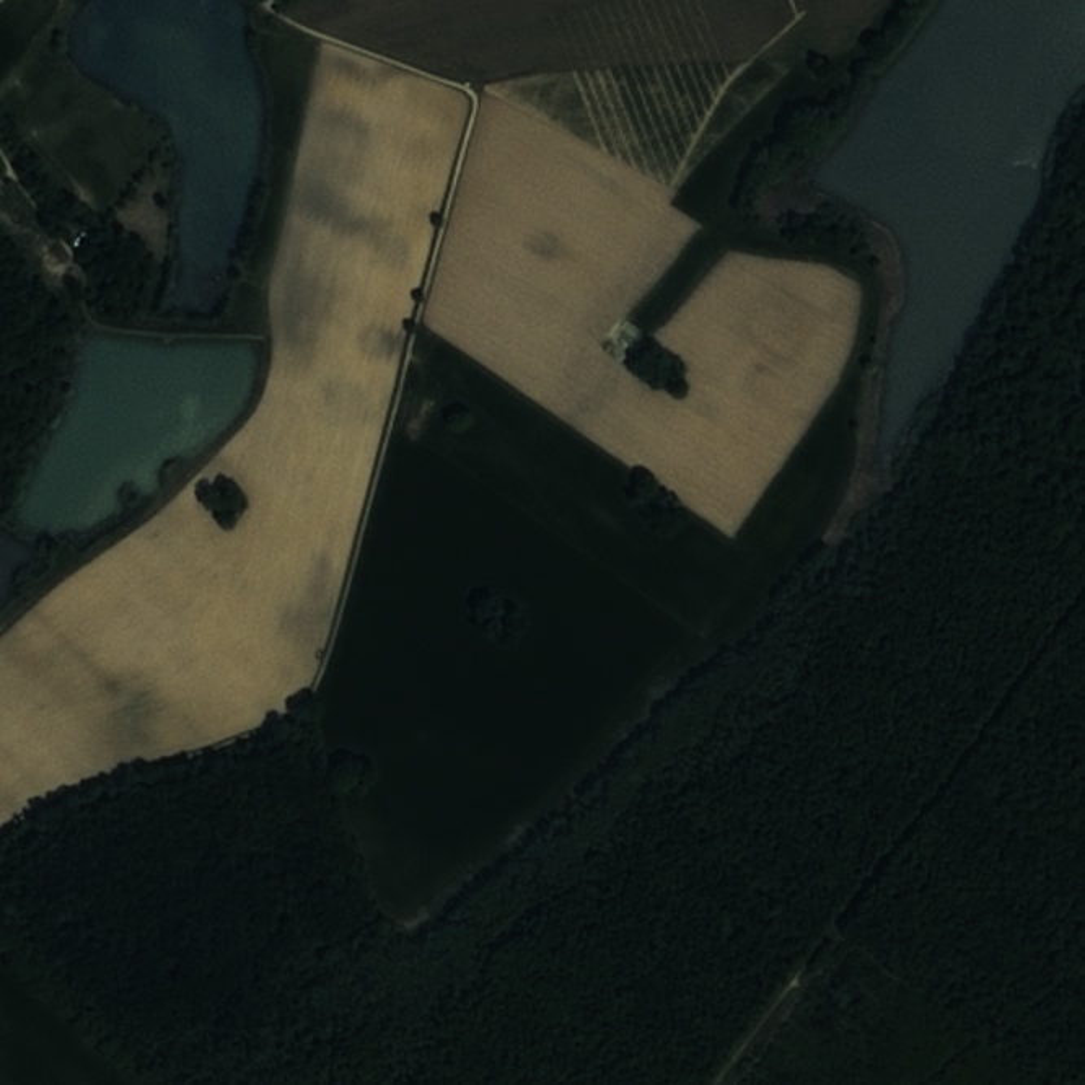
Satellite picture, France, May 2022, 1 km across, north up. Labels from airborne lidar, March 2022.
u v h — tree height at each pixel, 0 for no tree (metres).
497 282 0
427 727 0
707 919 16
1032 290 27
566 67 0
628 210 0
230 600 0
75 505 0
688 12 0
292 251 0
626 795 20
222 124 0
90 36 0
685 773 20
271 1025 23
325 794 19
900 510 16
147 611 0
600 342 0
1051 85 0
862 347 0
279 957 17
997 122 0
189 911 21
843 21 0
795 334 0
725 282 0
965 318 0
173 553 0
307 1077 19
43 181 24
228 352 0
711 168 0
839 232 18
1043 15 0
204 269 0
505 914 13
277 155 0
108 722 0
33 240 0
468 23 0
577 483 0
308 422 0
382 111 0
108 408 0
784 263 0
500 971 16
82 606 0
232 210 0
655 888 20
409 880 0
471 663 0
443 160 0
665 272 0
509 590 0
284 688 0
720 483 0
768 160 19
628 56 0
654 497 8
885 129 0
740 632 0
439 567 0
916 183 0
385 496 0
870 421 0
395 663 0
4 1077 0
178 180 0
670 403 0
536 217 0
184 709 0
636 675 0
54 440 0
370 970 25
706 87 0
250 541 0
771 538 0
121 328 0
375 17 0
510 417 0
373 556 0
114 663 0
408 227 0
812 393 0
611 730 0
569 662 0
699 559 0
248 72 0
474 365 0
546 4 0
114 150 0
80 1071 0
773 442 0
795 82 0
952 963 23
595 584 0
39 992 19
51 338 20
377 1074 18
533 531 0
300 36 0
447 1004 16
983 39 0
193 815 25
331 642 0
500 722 0
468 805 0
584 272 0
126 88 0
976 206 0
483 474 0
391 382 0
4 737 0
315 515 0
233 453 0
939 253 0
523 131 0
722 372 0
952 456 22
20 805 0
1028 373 28
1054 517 28
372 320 0
